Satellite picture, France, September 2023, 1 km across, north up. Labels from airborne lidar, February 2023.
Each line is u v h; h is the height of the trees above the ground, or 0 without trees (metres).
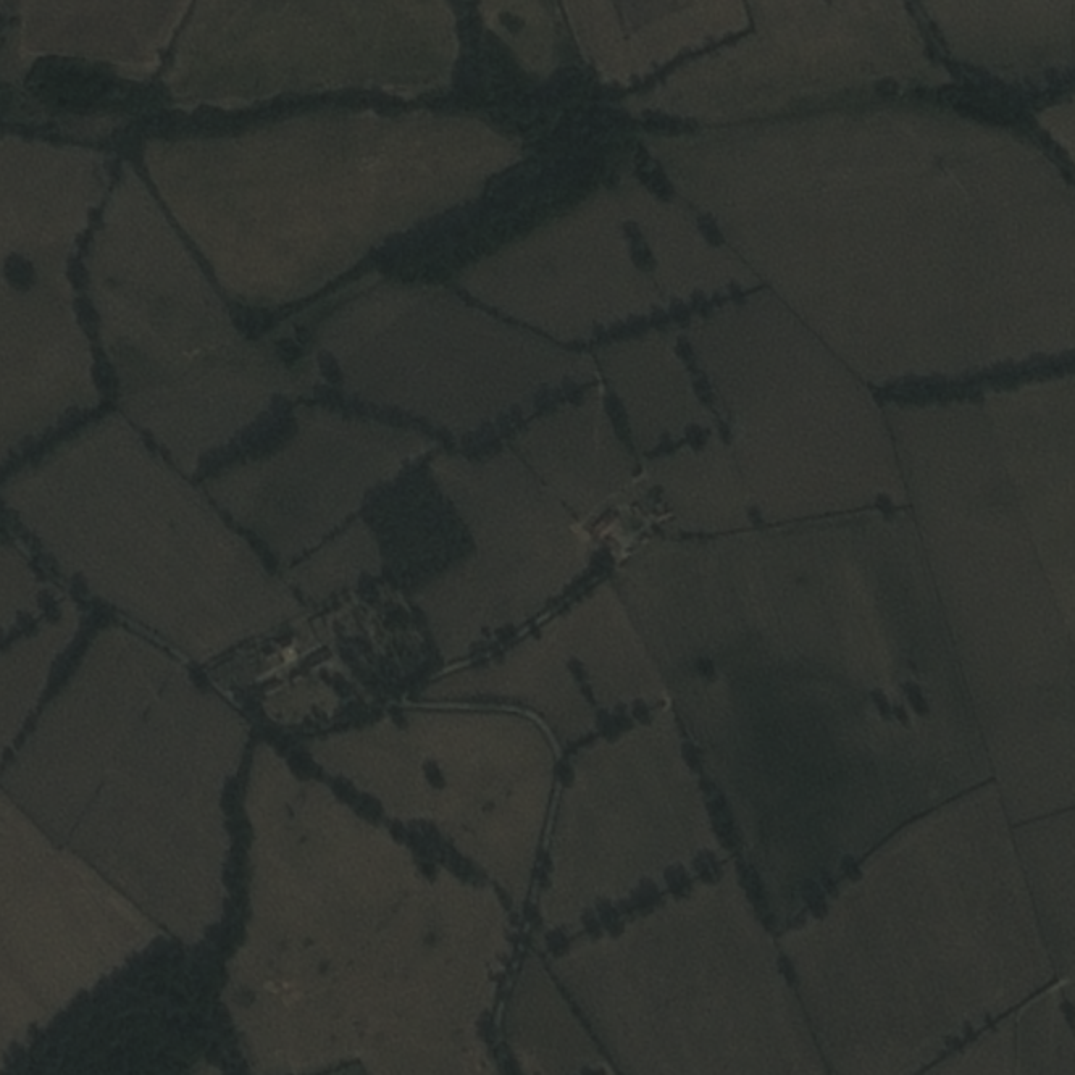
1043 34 0
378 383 0
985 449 0
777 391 0
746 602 0
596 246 0
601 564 14
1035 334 0
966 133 0
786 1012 0
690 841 0
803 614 0
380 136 0
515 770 0
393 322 0
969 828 0
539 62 0
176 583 0
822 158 0
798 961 0
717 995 0
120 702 0
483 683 0
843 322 0
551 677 0
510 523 0
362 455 0
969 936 0
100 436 0
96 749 0
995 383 13
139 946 0
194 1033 17
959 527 0
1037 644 0
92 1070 22
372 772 0
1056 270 0
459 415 0
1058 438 0
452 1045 0
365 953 0
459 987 0
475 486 0
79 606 17
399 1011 0
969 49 0
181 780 0
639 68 0
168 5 0
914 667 9
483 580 0
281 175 0
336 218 0
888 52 0
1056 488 0
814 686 0
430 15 0
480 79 20
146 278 0
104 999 18
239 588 0
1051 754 0
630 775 0
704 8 0
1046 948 0
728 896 0
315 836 0
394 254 18
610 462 0
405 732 0
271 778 0
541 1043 0
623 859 0
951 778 0
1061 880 0
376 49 0
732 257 0
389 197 0
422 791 0
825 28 0
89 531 0
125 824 0
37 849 0
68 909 0
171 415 0
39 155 0
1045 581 0
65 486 0
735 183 0
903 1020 0
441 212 0
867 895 0
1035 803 0
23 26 0
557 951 11
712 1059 0
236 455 16
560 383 0
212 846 0
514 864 0
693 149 0
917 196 0
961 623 0
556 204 19
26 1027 0
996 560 0
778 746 0
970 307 0
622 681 0
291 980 0
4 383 0
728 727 0
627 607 0
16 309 0
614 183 17
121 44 0
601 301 0
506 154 0
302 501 0
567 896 0
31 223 0
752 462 0
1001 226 0
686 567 0
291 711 0
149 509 0
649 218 0
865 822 0
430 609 0
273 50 0
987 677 0
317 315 0
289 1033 0
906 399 12
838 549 0
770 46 0
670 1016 0
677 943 0
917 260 0
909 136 0
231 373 0
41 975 0
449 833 0
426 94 0
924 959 0
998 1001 0
